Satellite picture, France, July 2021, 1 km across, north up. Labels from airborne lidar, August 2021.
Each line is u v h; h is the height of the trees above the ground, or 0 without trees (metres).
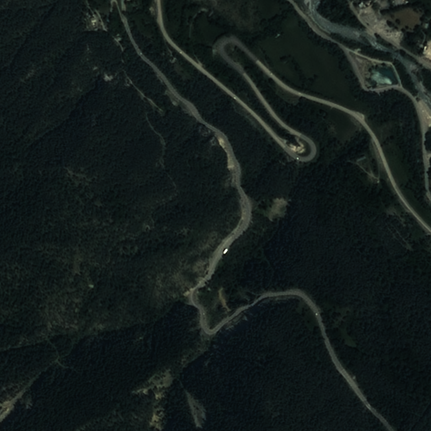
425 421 14
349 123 0
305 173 18
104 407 19
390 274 17
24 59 16
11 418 7
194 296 0
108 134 12
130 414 11
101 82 14
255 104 9
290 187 16
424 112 0
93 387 21
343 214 17
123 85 7
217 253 0
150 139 13
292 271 17
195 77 11
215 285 11
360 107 0
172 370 16
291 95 0
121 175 13
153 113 13
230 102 13
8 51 12
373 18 0
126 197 14
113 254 10
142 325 11
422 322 26
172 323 19
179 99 0
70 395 21
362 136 14
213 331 0
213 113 12
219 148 9
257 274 13
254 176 11
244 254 13
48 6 13
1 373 12
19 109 13
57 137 15
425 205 11
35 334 11
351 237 20
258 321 9
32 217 17
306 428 15
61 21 11
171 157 13
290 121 14
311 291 12
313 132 16
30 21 11
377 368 28
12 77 12
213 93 15
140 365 19
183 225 7
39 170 9
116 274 10
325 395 17
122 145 14
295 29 0
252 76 10
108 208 10
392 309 22
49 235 20
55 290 6
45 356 16
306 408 13
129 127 8
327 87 0
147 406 10
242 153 14
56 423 20
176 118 11
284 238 17
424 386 17
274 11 0
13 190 14
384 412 13
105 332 6
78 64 9
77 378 22
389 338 23
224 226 8
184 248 7
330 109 0
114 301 16
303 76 14
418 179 15
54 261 14
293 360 16
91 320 14
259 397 14
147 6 12
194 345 9
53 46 13
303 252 23
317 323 0
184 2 10
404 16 0
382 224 11
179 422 20
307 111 15
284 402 10
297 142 15
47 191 13
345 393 14
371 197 15
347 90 0
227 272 15
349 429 13
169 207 12
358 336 18
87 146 13
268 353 10
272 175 15
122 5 0
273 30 14
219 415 27
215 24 17
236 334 6
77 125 17
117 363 19
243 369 20
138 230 8
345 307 8
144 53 15
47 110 10
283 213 0
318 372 16
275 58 0
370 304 12
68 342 18
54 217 16
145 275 11
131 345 15
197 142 11
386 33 0
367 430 18
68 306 10
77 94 7
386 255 21
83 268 14
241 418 26
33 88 11
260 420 17
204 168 18
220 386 18
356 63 0
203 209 11
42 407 15
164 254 9
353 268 16
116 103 14
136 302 14
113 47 6
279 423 13
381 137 0
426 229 0
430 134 9
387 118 6
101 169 10
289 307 11
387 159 0
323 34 0
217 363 7
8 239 16
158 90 12
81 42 12
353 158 13
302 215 14
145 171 12
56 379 10
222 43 0
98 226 10
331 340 15
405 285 23
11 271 12
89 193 12
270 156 28
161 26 0
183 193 11
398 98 6
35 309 12
